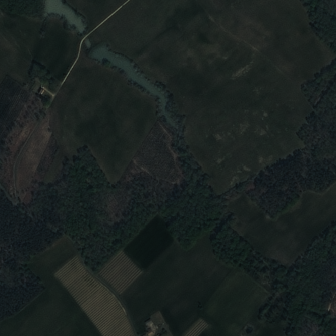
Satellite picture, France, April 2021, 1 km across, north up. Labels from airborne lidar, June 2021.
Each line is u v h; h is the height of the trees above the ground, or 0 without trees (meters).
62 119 0
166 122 26
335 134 22
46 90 0
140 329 0
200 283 0
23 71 0
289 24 0
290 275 21
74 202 21
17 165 0
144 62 0
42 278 0
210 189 22
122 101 0
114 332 0
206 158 0
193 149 0
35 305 0
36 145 0
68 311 0
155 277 0
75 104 0
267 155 0
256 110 0
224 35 0
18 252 22
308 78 0
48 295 0
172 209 26
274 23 0
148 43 0
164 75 0
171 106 16
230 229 25
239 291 0
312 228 0
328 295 22
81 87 0
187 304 0
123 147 0
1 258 16
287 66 0
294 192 24
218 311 0
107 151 0
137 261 0
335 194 0
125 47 0
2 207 20
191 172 27
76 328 0
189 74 0
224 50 0
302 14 0
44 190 17
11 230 19
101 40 0
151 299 0
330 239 22
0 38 0
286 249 0
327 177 20
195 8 0
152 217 11
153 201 23
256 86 0
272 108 0
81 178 21
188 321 0
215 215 22
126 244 14
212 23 0
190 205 32
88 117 0
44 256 0
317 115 15
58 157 0
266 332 0
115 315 0
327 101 17
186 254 0
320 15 21
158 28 0
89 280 0
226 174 0
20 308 15
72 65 0
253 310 0
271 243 0
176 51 0
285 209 19
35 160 0
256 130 0
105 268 0
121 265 0
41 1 24
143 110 0
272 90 0
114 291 0
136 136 0
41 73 23
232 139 0
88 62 0
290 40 0
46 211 19
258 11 0
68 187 18
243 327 0
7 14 0
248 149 0
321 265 17
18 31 0
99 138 0
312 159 15
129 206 15
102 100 0
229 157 0
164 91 16
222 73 0
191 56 0
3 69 0
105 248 17
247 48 0
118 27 0
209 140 0
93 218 19
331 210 0
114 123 0
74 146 0
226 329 0
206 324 0
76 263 0
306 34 0
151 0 0
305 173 20
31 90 9
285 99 0
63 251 0
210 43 0
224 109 0
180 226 25
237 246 23
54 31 0
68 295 0
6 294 22
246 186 8
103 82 0
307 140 11
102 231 21
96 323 0
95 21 0
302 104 0
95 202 19
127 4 0
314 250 18
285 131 0
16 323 0
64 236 15
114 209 6
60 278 0
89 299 0
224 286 0
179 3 0
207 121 0
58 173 7
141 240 0
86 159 20
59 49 0
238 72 0
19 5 19
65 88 0
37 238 24
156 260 0
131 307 0
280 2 0
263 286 0
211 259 0
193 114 0
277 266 17
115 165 0
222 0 0
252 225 0
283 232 0
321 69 0
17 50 0
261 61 0
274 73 0
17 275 15
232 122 0
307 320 18
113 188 14
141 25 0
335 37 21
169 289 0
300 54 0
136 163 0
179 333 0
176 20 0
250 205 0
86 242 17
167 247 0
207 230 26
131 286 0
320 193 14
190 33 0
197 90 0
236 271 0
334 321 14
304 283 19
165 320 0
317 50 0
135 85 15
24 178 0
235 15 0
